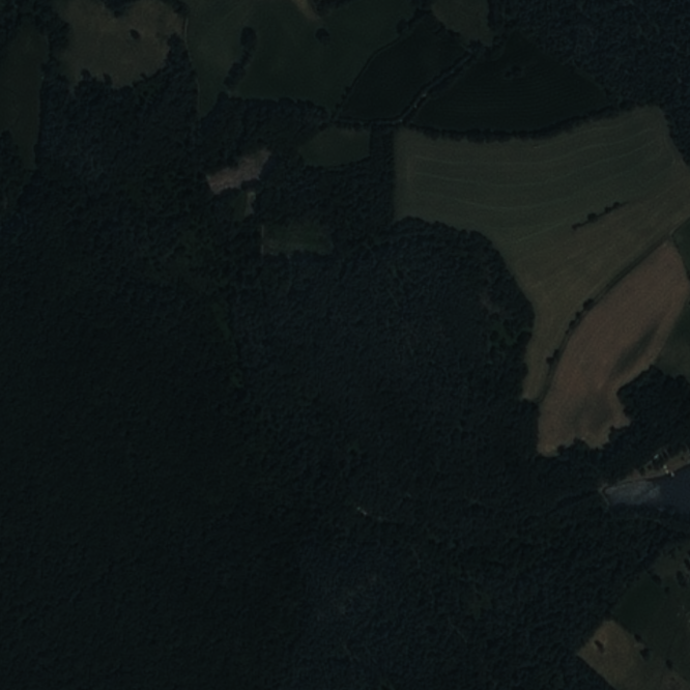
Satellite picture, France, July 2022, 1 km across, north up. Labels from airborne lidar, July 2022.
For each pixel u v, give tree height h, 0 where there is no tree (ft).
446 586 54
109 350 75
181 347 71
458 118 0
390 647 84
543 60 0
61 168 66
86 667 48
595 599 56
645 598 0
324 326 63
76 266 58
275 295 65
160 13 0
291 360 53
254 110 73
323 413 62
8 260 66
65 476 63
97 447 60
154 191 23
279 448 47
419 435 45
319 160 0
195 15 0
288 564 74
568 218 0
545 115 0
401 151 0
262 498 79
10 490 56
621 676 0
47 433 57
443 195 0
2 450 64
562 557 46
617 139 0
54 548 58
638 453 77
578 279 0
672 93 64
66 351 68
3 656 69
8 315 69
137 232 46
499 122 0
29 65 0
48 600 63
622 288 0
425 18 60
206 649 64
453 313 58
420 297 64
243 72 50
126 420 65
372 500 54
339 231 72
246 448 80
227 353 18
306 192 73
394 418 57
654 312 0
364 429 62
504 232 0
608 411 0
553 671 39
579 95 0
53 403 58
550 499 57
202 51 0
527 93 0
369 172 32
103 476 56
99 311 81
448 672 47
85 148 57
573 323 23
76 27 0
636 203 0
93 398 67
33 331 67
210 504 69
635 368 0
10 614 54
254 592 58
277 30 0
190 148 49
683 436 71
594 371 0
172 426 72
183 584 54
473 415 61
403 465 55
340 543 57
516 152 0
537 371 0
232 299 67
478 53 63
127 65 0
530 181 0
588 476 83
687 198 0
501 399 65
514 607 68
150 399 71
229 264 43
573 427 0
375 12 0
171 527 56
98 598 57
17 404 70
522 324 23
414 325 65
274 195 70
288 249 0
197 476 67
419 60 0
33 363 61
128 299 59
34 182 35
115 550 67
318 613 83
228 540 56
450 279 60
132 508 62
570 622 73
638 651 0
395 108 0
